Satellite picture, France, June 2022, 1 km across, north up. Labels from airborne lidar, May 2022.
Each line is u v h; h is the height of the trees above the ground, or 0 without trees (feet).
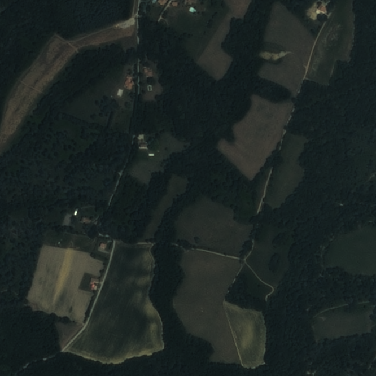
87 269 0
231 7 0
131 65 55
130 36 0
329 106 61
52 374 60
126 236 78
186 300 0
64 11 32
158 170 0
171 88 42
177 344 62
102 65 40
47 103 67
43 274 0
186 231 0
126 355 0
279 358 65
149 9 35
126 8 48
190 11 0
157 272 48
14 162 58
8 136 0
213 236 0
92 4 71
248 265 0
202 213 0
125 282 0
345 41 0
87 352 0
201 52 0
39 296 0
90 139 65
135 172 0
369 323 0
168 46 93
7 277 72
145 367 71
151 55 75
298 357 54
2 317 31
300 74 0
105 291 0
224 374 68
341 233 49
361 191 57
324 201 24
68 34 32
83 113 0
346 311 26
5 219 28
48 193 76
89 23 70
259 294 0
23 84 0
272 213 57
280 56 0
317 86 44
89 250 0
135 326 0
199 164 81
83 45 0
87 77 37
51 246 0
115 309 0
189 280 0
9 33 21
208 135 71
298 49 0
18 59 54
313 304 61
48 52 0
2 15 50
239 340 0
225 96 83
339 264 0
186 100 24
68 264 0
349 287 78
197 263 0
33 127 60
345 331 0
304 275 54
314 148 49
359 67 63
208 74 23
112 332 0
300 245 58
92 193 91
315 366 37
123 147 69
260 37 48
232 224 0
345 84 78
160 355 57
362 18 74
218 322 0
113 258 0
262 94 39
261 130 0
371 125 69
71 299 0
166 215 44
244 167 0
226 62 0
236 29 36
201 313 0
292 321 59
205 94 64
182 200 69
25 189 29
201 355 67
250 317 0
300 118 62
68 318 46
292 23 0
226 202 26
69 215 0
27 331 62
